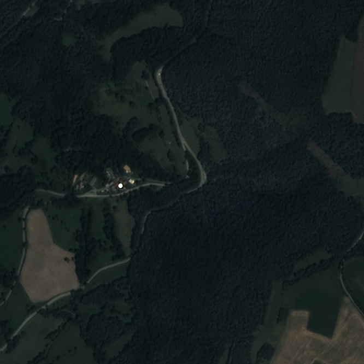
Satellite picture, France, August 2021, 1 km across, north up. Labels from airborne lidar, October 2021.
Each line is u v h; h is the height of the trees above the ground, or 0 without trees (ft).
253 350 0
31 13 0
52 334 32
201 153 34
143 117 0
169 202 59
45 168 0
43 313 32
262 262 44
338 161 32
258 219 52
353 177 43
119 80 50
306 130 21
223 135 32
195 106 21
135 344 61
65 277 0
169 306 23
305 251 51
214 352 36
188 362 46
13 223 0
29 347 0
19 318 0
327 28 47
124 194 24
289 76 32
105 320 59
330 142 20
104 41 26
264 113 25
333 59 54
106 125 50
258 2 40
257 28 42
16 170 0
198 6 60
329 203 64
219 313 28
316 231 49
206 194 25
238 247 77
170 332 56
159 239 50
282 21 43
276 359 0
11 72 52
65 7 24
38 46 51
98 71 66
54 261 0
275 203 68
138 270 57
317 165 43
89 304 40
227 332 36
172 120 39
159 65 55
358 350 0
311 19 49
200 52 63
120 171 39
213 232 62
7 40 65
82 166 72
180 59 56
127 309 0
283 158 29
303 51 43
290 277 28
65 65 51
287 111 32
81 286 0
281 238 62
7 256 0
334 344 0
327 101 0
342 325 0
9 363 0
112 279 0
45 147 0
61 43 32
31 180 75
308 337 0
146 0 69
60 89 87
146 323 44
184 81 41
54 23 31
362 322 0
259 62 47
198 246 71
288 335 0
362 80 0
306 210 46
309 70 47
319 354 0
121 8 68
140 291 60
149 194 80
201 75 48
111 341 51
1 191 82
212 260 70
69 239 0
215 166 35
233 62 42
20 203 53
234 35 60
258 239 52
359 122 0
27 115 53
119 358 35
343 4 58
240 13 55
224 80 28
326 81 52
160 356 53
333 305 0
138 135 66
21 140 0
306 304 0
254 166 31
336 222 73
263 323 38
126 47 64
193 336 56
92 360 0
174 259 67
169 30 51
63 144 93
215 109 26
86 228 57
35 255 0
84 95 61
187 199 51
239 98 34
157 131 37
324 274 0
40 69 39
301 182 61
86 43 25
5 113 0
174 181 60
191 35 53
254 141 24
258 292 43
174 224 73
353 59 0
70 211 0
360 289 0
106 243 45
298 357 0
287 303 0
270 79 32
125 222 0
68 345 0
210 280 63
